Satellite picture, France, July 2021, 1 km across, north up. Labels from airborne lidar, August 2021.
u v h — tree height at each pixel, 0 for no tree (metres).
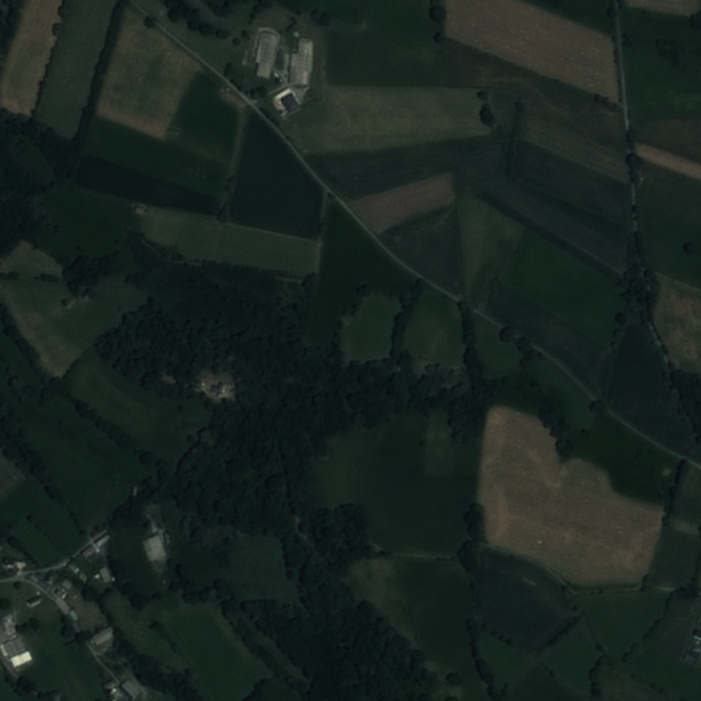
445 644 0
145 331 21
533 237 0
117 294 0
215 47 0
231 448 27
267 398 26
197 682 0
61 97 0
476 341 13
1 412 20
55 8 0
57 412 0
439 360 0
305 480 19
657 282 10
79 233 0
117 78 0
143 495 12
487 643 0
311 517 18
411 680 26
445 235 0
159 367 22
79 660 0
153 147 0
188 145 0
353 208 0
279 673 17
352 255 0
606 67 0
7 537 8
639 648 11
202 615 0
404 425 0
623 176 0
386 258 0
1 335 0
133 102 0
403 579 0
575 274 0
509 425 0
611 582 0
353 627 26
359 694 26
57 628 0
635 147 9
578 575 0
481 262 0
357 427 17
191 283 7
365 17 0
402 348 17
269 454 19
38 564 6
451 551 0
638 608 0
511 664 0
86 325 0
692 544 0
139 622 0
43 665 0
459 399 15
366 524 15
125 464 0
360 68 0
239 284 6
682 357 0
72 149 14
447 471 0
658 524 0
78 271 16
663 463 0
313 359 24
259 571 0
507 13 0
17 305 0
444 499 0
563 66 0
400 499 0
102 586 0
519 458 0
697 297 0
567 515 0
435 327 0
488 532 0
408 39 0
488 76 0
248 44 0
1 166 24
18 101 0
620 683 0
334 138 0
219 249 0
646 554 0
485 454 0
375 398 20
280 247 0
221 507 24
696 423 16
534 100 0
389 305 0
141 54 0
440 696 0
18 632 11
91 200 0
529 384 0
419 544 0
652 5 0
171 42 0
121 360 13
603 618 0
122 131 0
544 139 0
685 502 0
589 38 0
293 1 0
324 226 8
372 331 0
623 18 0
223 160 0
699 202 0
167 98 0
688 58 0
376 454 0
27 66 0
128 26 0
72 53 0
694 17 9
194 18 20
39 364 11
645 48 0
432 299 0
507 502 0
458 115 0
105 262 15
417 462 0
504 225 0
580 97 0
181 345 22
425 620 0
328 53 0
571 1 0
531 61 0
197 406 0
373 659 27
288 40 0
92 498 0
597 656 0
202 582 0
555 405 0
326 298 0
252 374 17
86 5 0
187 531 15
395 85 0
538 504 0
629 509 0
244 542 0
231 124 0
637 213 14
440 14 17
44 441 0
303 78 0
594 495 0
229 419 22
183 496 23
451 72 0
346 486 0
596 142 0
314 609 23
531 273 0
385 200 0
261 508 9
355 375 23
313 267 0
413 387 13
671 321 0
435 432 0
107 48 8
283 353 24
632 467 0
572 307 0
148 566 0
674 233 0
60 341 0
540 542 0
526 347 20
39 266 0
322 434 19
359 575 0
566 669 0
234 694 0
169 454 0
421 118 0
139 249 7
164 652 0
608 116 0
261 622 21
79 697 0
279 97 0
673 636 0
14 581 0
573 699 0
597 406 19
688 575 0
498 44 0
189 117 0
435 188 0
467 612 0
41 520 0
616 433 0
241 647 0
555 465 0
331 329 0
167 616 0
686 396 18
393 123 0
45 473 19
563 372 0
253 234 0
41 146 9
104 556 0
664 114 0
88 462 0
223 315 18
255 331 6
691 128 0
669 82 0
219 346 24
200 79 0
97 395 0
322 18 18
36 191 16
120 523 24
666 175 0
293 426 18
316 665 28
